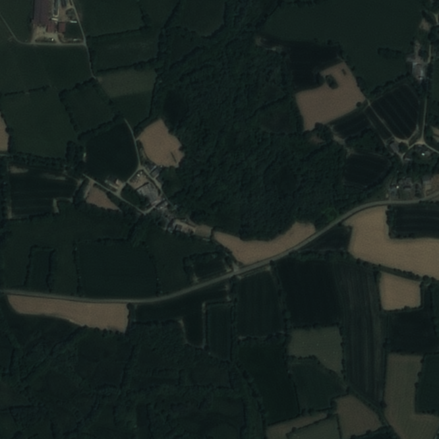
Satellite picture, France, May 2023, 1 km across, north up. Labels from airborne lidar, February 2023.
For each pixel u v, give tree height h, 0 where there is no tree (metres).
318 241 0
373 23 0
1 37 0
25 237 0
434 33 10
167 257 0
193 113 10
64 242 0
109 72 8
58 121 0
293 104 7
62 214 9
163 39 17
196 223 21
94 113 0
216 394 17
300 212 15
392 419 0
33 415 16
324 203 8
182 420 0
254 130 6
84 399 0
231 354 8
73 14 0
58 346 8
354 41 0
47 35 0
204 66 10
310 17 0
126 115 0
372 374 0
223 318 0
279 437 0
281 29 0
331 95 0
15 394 0
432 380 0
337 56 0
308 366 0
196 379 0
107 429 0
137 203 0
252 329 0
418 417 0
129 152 0
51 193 0
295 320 0
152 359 0
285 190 0
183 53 0
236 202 10
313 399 0
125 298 0
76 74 0
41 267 0
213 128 0
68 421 0
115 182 0
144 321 0
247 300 0
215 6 0
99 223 0
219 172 12
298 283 0
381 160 0
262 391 0
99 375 0
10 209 0
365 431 0
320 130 18
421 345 0
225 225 0
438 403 0
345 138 0
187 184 11
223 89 11
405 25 0
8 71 0
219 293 0
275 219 9
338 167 10
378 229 0
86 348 0
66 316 0
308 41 0
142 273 0
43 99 0
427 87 19
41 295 0
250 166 8
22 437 22
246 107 12
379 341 0
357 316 0
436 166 8
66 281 0
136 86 0
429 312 0
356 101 0
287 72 10
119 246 12
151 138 0
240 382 18
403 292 0
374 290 0
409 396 0
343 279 0
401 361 0
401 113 0
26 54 0
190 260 9
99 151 0
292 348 0
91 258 0
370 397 0
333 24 0
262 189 8
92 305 0
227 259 11
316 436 0
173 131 12
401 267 0
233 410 0
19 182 0
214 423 0
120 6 0
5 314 0
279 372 0
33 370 12
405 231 0
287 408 0
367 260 0
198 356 17
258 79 8
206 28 0
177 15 16
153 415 13
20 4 0
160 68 17
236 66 9
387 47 0
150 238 0
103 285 0
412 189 0
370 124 0
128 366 11
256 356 0
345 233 0
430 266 0
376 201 0
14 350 9
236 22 24
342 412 0
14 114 0
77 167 14
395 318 0
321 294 0
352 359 0
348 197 12
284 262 0
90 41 9
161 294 9
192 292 0
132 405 17
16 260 0
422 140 0
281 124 0
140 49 0
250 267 0
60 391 0
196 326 0
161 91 19
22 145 0
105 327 0
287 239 0
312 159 19
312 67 0
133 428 9
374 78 0
